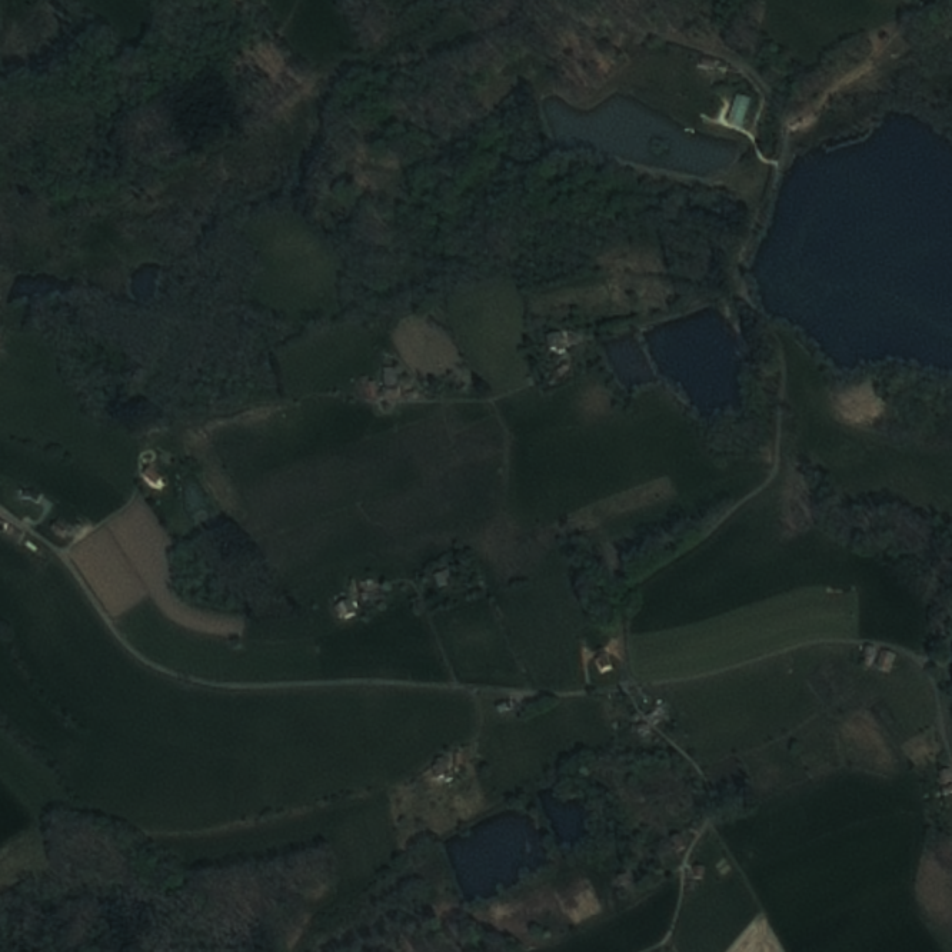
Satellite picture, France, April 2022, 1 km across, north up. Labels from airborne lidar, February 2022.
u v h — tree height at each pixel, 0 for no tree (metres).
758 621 0
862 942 0
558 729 0
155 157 33
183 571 15
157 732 0
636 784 11
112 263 0
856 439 0
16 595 0
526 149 16
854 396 0
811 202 0
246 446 0
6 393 0
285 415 0
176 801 0
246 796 0
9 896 23
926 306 0
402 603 0
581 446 0
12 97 21
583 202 25
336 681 0
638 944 0
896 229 0
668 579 0
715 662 0
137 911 27
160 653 0
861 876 0
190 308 20
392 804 0
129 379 16
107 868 29
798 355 0
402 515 0
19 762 0
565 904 0
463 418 0
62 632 0
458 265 22
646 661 0
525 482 0
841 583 0
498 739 0
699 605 0
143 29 0
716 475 0
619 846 24
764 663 0
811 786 0
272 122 30
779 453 0
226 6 19
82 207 16
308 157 0
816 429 0
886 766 0
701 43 0
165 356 22
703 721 0
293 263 0
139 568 0
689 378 0
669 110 0
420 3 10
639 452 0
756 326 20
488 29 24
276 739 0
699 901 0
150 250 0
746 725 0
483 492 0
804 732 0
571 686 0
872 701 0
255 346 22
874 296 0
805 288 0
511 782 0
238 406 25
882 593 0
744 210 19
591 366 7
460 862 0
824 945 0
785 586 0
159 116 32
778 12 0
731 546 0
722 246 20
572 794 13
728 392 0
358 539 0
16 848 0
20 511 0
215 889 28
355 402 9
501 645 0
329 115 31
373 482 0
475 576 7
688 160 0
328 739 0
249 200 19
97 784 0
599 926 0
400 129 26
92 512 0
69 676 0
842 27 0
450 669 0
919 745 0
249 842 0
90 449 0
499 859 0
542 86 0
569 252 20
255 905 29
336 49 0
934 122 14
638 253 0
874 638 0
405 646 0
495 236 28
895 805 0
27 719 0
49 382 0
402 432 0
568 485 0
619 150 0
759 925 0
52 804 0
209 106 16
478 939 28
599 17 26
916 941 0
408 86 26
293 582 0
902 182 0
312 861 27
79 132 24
